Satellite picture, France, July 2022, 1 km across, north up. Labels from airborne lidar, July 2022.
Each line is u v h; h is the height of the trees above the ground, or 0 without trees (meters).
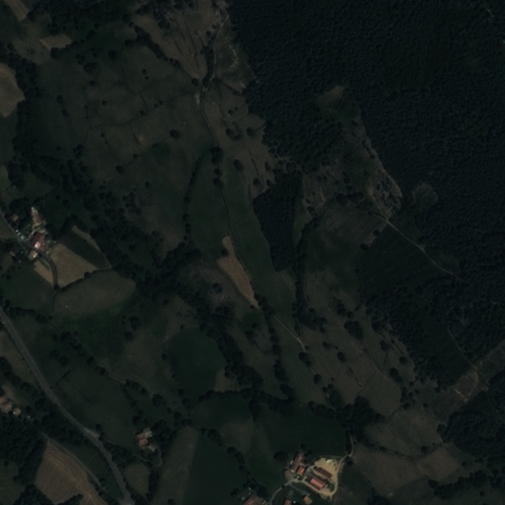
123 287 0
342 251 0
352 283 0
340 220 0
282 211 18
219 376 0
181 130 0
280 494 0
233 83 0
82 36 0
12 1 0
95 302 0
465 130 12
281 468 0
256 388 15
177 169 0
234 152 0
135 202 6
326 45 12
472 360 20
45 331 0
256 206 14
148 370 0
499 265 16
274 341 14
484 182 22
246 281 0
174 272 21
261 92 21
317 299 0
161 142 0
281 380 17
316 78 13
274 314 12
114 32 0
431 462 0
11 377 23
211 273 0
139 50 0
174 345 0
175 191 0
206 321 15
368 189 0
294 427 0
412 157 22
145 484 0
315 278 0
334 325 0
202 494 0
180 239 0
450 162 13
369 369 0
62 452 0
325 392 16
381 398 0
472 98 14
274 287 0
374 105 22
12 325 0
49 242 0
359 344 0
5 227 0
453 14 7
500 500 0
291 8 15
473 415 15
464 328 17
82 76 0
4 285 0
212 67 7
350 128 0
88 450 0
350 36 18
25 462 17
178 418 18
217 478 0
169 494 0
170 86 0
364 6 19
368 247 21
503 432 28
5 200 0
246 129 0
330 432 0
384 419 10
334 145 11
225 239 0
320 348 0
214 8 12
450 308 17
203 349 0
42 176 24
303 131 20
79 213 0
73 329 0
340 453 0
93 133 0
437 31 12
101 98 0
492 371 0
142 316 0
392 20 21
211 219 0
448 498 11
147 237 15
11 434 11
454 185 21
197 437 0
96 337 0
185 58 0
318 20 15
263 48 16
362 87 18
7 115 0
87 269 0
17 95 0
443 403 0
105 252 20
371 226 0
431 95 21
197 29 0
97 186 0
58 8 17
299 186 8
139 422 20
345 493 0
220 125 0
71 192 21
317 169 12
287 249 18
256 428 0
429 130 15
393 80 7
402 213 18
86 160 0
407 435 0
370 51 21
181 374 0
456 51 8
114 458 10
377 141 20
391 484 0
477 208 27
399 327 15
